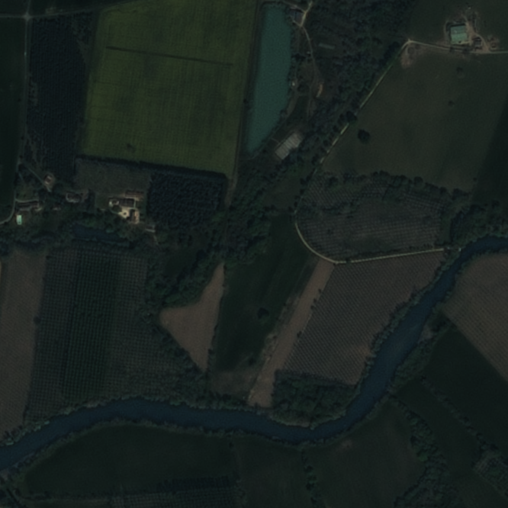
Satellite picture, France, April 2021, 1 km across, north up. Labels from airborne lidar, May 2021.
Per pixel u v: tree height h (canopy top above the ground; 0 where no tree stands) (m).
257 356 0
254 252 16
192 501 29
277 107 0
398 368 10
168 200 20
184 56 0
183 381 21
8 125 0
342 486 0
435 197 18
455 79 0
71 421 0
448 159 0
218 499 27
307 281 0
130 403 0
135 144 0
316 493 18
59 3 0
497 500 0
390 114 0
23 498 23
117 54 0
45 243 21
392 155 0
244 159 0
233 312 0
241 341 0
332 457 0
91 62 0
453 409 11
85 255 24
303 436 0
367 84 16
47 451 13
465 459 0
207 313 0
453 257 23
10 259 9
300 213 7
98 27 0
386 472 0
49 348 25
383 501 0
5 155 0
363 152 0
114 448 0
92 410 0
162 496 22
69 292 24
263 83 0
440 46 0
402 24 22
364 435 0
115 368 28
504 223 13
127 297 26
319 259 0
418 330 0
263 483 0
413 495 9
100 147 0
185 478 0
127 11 0
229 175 0
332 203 18
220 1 0
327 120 13
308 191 13
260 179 12
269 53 0
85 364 26
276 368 0
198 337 0
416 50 0
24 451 0
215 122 0
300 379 15
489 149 0
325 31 8
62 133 8
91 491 0
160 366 26
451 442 0
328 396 21
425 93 0
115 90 0
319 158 11
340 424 0
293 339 0
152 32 0
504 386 0
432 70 0
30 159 7
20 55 0
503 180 0
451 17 0
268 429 0
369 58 17
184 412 0
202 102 0
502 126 0
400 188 12
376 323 12
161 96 0
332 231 16
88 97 0
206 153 0
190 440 0
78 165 17
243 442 0
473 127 0
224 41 0
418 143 0
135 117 0
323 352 18
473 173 0
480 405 0
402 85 0
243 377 0
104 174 19
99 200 0
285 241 0
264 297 0
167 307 17
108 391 25
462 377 0
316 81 0
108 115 0
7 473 0
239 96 0
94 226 14
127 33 0
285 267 0
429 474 14
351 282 15
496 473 20
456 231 22
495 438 0
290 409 10
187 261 0
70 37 10
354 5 7
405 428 0
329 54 0
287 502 0
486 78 0
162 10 0
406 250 19
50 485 0
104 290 25
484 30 0
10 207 6
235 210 16
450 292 7
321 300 13
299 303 0
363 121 0
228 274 11
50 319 25
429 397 0
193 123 0
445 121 0
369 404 0
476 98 0
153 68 0
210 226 13
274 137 0
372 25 23
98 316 26
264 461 0
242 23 0
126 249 9
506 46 0
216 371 0
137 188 19
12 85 0
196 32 0
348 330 13
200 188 18
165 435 0
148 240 15
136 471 0
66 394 24
